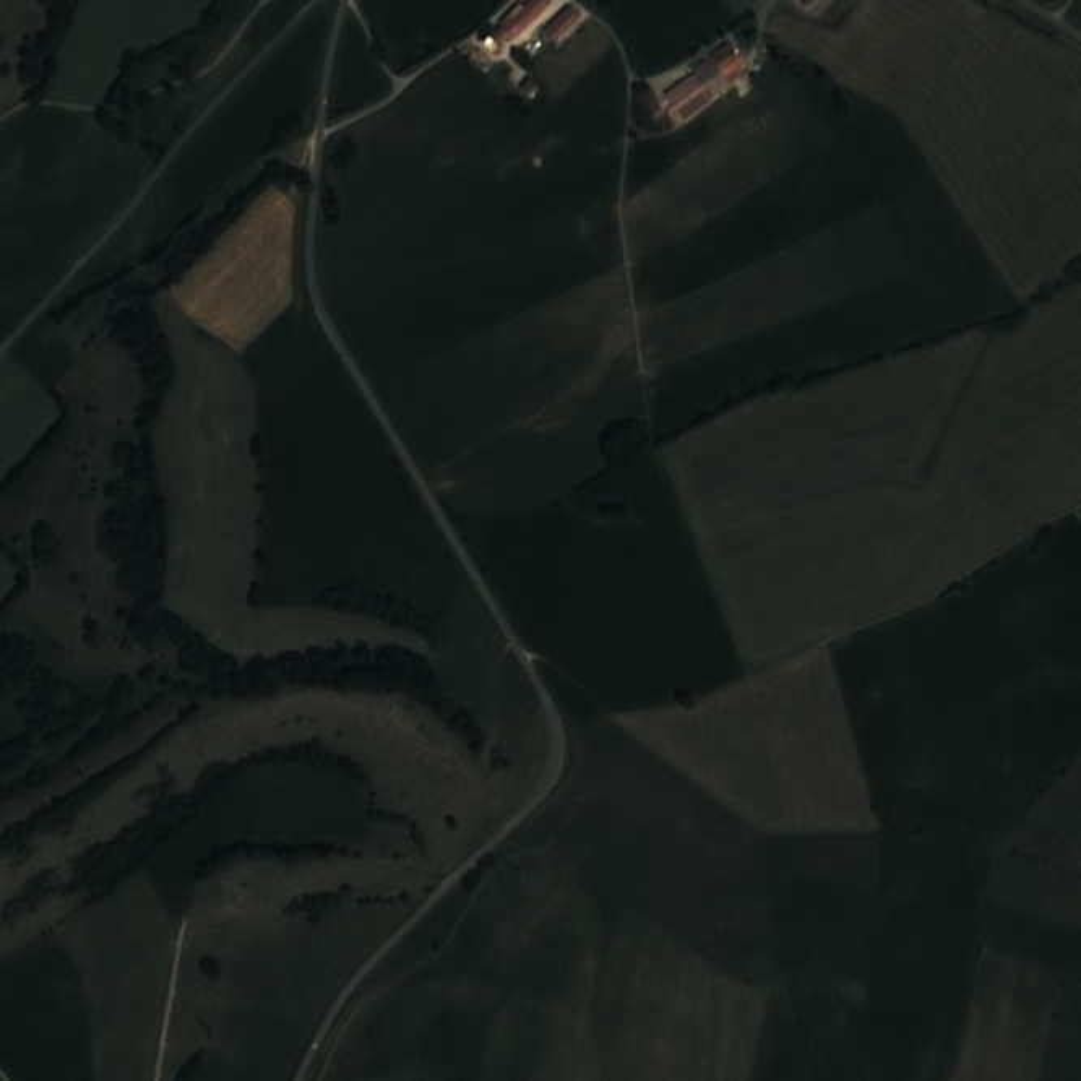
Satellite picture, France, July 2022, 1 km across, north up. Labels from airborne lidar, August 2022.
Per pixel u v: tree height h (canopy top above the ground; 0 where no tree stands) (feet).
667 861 0
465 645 0
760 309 0
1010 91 0
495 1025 0
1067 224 0
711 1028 0
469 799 0
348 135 0
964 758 0
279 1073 0
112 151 0
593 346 0
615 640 0
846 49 0
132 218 0
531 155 0
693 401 0
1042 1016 0
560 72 0
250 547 0
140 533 54
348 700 0
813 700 0
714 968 0
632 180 0
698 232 0
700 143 0
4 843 25
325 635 0
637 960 0
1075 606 0
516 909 0
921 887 0
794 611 0
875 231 0
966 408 0
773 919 0
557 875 0
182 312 0
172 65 42
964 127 0
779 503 0
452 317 0
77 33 0
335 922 0
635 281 0
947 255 0
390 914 0
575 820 0
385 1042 0
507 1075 0
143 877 0
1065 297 0
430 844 0
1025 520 0
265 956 0
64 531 0
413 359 0
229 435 0
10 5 0
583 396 0
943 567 0
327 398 0
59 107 0
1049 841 0
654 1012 0
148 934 0
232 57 0
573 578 0
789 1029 0
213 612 0
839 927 0
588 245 0
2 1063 0
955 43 0
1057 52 0
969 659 0
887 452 0
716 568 0
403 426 0
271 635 0
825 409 0
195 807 49
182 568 0
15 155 0
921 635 0
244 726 0
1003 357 0
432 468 0
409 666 67
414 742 0
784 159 0
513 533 0
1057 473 0
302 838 0
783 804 0
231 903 0
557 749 0
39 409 0
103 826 0
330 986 0
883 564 0
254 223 0
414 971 0
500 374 0
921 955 0
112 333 18
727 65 0
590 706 0
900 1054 0
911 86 0
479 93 0
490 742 0
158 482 22
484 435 0
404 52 0
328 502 0
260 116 0
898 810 0
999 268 0
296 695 0
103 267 0
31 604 0
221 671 34
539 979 0
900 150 0
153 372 57
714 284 0
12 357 0
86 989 0
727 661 0
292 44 0
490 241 0
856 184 0
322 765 34
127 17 0
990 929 0
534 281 0
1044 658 0
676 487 0
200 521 0
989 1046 0
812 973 0
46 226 0
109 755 0
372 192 0
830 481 0
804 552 0
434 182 0
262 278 0
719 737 0
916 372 0
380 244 0
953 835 0
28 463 30
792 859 0
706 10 0
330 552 0
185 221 28
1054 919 0
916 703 0
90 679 0
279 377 0
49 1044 0
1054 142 0
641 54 0
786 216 0
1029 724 0
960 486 0
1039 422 0
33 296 0
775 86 0
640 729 0
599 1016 0
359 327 0
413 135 0
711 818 0
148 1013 0
